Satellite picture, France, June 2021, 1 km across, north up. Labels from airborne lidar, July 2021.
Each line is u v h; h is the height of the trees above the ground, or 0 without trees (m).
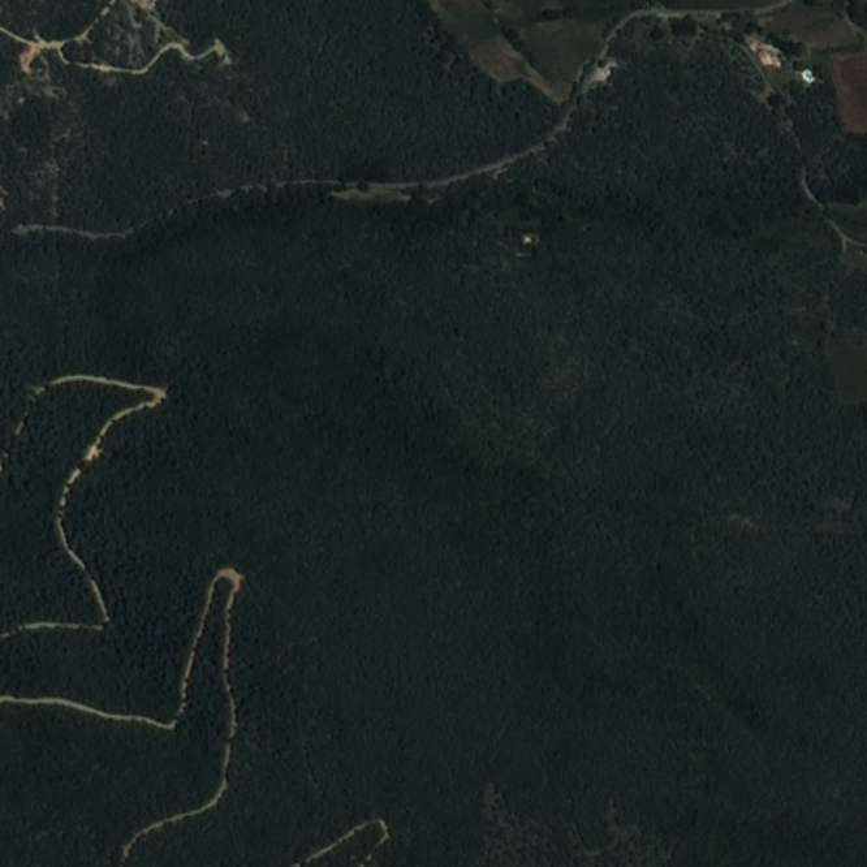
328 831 8
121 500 8
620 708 9
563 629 6
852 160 10
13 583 14
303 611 8
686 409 7
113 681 8
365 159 12
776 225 9
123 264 11
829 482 10
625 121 7
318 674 10
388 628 11
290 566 7
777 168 10
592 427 6
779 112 9
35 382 16
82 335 8
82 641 8
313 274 6
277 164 7
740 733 9
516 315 5
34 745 6
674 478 7
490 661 8
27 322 8
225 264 7
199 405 8
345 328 8
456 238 11
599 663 6
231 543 7
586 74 7
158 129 10
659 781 8
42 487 10
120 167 6
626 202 14
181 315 7
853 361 0
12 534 12
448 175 7
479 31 0
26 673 7
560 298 6
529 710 9
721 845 8
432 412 8
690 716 10
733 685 9
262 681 8
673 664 10
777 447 11
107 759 8
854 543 10
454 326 8
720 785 10
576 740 7
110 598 15
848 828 9
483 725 7
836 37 0
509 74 0
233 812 7
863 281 6
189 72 7
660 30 8
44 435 8
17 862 7
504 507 8
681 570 8
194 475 10
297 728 8
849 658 9
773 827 9
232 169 7
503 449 10
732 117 8
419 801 9
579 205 8
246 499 6
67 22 8
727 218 7
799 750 10
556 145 6
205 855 7
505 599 8
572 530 9
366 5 10
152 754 8
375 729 8
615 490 9
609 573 8
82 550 14
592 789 9
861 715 7
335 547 9
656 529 10
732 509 6
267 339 9
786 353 9
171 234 13
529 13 0
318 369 9
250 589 6
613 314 11
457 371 6
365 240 7
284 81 6
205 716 11
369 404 9
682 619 8
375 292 9
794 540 9
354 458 8
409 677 8
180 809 8
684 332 10
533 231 8
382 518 7
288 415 8
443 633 7
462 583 8
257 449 10
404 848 7
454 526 8
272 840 7
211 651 8
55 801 6
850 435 11
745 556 8
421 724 9
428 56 12
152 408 6
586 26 0
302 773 7
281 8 8
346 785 9
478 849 10
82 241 13
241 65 7
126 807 8
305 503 7
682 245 14
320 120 6
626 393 6
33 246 8
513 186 10
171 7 6
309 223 9
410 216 12
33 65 6
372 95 11
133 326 8
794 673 7
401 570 8
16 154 8
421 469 7
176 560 7
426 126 9
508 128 13
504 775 9
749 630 9
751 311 10
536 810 7
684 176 12
